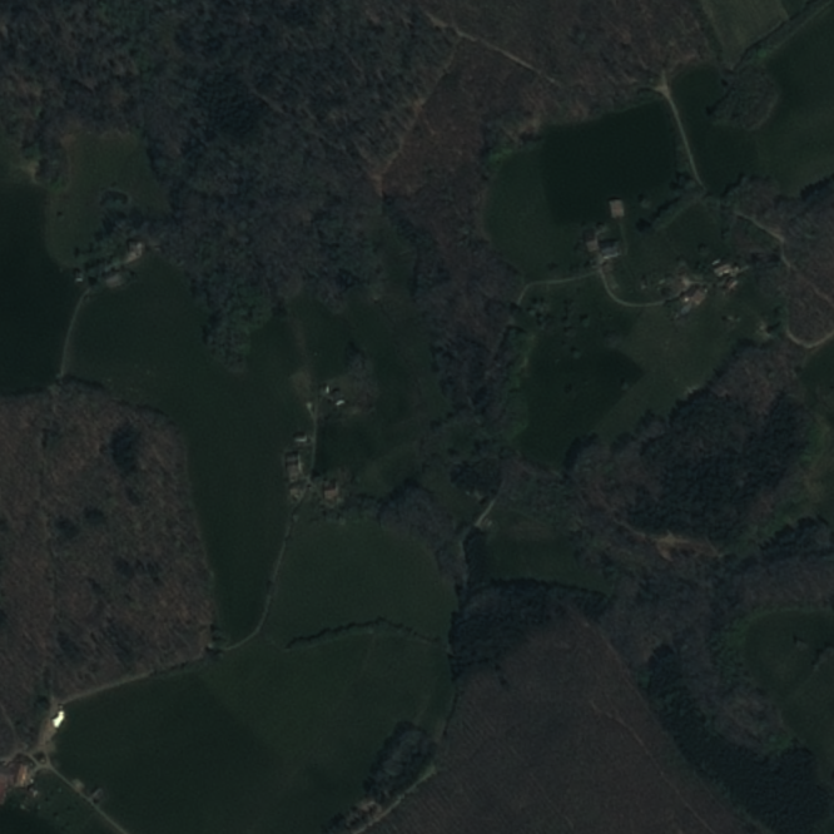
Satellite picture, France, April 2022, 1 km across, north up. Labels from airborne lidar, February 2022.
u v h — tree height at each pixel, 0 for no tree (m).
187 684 0
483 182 7
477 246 14
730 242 13
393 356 0
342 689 0
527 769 11
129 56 32
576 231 0
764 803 23
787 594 28
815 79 0
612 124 0
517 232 0
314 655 0
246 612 0
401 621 0
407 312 0
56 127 30
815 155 0
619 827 13
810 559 19
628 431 0
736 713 36
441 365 24
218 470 0
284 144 29
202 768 0
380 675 0
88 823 0
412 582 0
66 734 0
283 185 23
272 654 0
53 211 0
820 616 0
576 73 16
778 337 16
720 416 17
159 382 0
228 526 0
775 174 0
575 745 12
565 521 22
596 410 0
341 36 8
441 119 9
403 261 0
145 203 0
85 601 19
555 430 0
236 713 0
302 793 0
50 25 9
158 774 0
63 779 0
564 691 10
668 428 24
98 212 0
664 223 16
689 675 22
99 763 0
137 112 21
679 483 23
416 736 29
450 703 0
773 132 0
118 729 0
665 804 14
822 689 0
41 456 15
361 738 0
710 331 0
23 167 0
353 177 30
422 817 13
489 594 23
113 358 0
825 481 0
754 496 18
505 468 18
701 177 0
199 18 35
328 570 0
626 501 15
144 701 0
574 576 0
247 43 26
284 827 0
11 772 0
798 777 24
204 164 35
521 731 11
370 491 0
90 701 0
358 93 25
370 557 0
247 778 0
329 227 20
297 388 0
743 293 0
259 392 0
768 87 8
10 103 28
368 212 27
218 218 29
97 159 0
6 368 0
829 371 0
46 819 0
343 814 0
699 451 14
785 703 0
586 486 26
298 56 24
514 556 0
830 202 19
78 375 0
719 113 11
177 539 23
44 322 0
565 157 0
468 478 23
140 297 0
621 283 0
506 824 10
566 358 0
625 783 12
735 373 27
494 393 15
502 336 17
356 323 0
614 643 26
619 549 22
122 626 23
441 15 15
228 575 0
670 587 28
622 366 0
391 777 30
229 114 27
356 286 36
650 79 14
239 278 17
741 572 21
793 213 26
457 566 32
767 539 18
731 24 0
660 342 0
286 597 0
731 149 0
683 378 0
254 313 15
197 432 0
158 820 0
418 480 0
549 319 8
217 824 0
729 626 24
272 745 0
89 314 0
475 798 10
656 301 0
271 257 37
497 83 11
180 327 0
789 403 25
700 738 23
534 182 0
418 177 10
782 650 0
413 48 29
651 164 0
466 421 27
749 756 23
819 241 30
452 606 0
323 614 0
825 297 21
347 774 0
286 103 17
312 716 0
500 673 16
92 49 30
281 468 0
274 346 0
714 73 0
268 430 0
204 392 0
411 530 29
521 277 17
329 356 0
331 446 0
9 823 0
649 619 29
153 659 25
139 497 16
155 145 22
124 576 23
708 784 10
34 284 0
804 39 0
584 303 0
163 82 27
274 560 0
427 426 0
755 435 16
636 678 23
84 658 24
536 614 19
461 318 21
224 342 29
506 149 22
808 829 21
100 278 11
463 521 0
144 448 23
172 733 0
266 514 0
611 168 0
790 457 23
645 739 12
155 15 32
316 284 31
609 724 9
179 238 31
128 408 12
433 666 0
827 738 0
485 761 12
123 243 17
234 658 0
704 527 14
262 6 20
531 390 0
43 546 20
